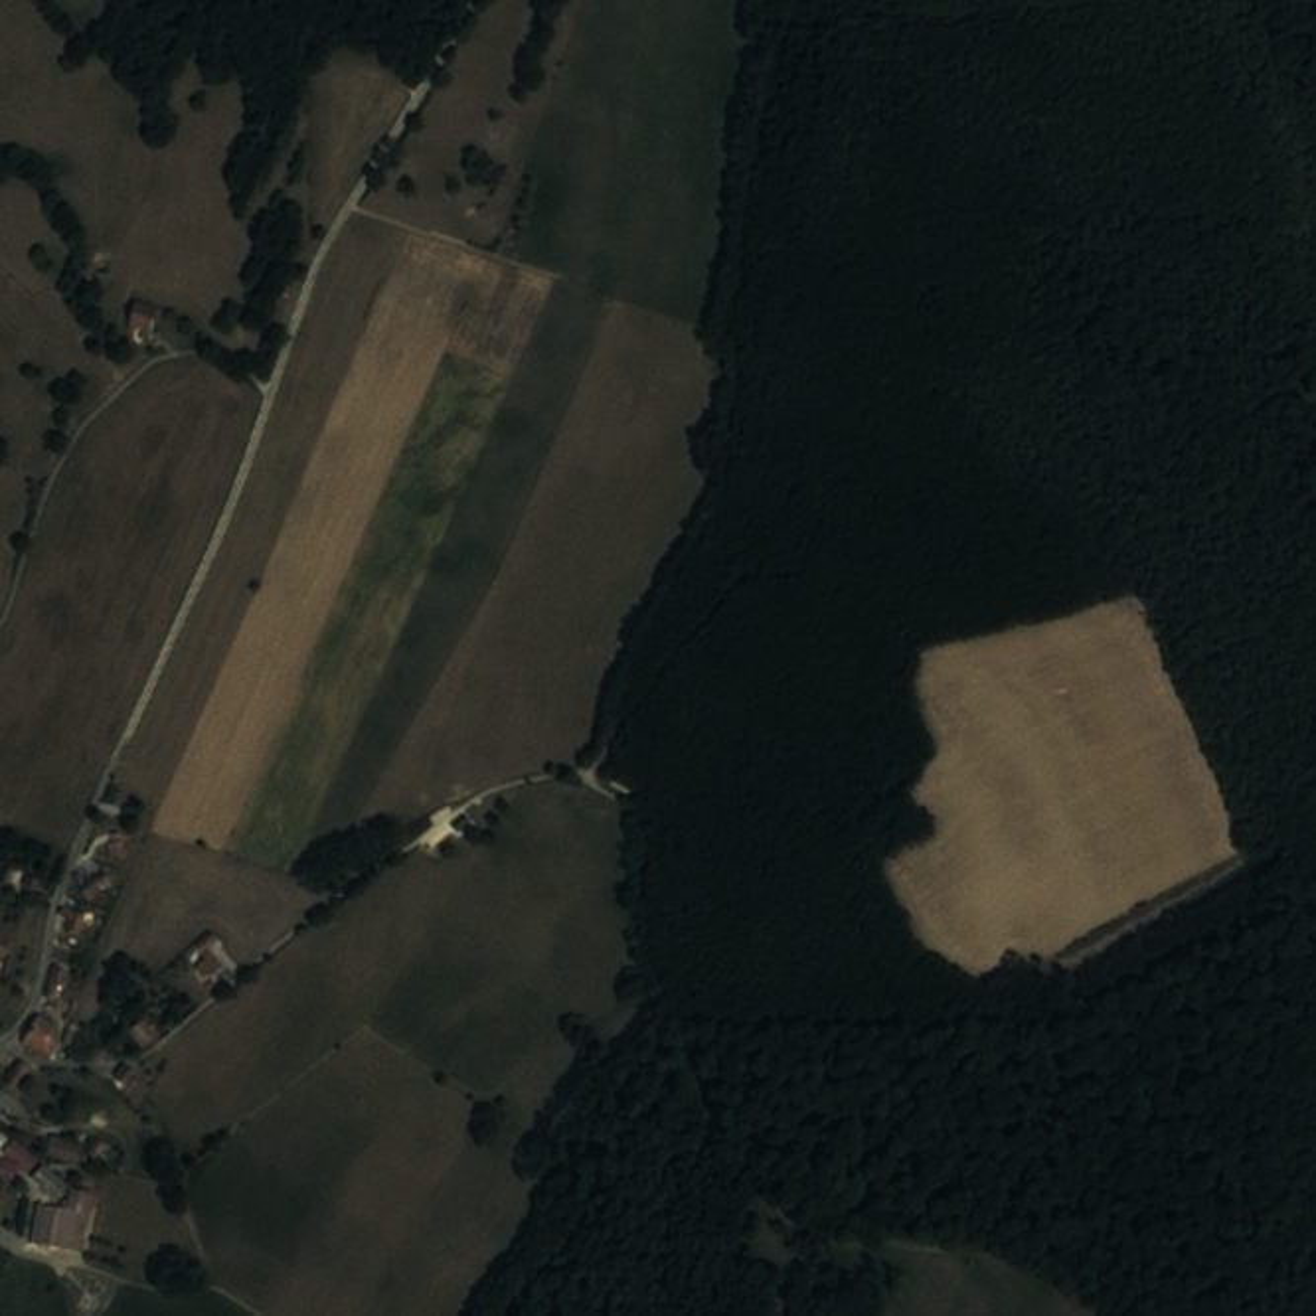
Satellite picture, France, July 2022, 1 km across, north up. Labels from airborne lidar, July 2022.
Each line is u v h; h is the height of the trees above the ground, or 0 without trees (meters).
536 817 0
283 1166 0
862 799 16
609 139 0
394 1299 0
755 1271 27
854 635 15
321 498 0
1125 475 21
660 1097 22
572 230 0
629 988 18
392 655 0
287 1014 0
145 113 12
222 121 0
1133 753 0
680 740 12
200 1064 0
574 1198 19
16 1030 0
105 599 0
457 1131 0
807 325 12
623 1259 23
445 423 0
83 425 0
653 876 13
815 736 13
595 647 0
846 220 11
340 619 0
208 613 0
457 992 0
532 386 0
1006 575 18
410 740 0
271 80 24
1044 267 10
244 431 0
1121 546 9
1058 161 9
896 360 12
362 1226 0
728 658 13
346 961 0
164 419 0
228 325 15
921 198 11
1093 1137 33
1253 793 17
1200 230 18
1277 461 16
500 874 0
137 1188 0
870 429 10
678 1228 27
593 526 0
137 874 0
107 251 0
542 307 0
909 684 21
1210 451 16
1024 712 0
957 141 11
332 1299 0
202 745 0
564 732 0
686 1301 25
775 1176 34
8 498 0
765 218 12
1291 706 17
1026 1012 15
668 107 0
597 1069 20
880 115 13
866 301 11
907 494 16
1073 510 15
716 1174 21
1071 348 15
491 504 0
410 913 0
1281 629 17
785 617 15
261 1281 0
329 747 0
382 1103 0
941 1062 26
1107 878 0
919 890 0
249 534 0
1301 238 8
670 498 0
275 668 0
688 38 0
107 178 0
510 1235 0
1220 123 9
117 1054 5
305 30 18
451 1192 0
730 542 15
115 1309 0
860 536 16
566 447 0
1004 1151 31
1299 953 25
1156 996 31
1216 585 17
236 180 16
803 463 11
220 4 22
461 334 0
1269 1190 26
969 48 7
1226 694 14
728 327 12
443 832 0
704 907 13
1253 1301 15
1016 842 0
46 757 0
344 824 0
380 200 0
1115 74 11
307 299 0
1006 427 12
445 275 0
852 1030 28
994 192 12
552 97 0
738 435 19
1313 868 20
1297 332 18
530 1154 19
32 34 0
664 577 15
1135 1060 28
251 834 0
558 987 0
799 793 16
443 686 0
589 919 0
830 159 10
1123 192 12
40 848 11
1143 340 18
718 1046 32
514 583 0
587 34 0
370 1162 0
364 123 0
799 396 8
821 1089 30
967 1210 27
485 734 0
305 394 0
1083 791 0
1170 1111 32
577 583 0
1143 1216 15
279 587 0
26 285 0
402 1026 0
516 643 0
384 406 0
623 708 12
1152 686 0
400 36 17
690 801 16
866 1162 12
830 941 11
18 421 0
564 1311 25
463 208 0
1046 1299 0
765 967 9
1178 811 0
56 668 0
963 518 18
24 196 0
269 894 0
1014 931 0
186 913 0
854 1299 27
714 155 0
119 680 0
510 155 0
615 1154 17
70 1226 0
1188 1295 27
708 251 0
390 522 0
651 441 0
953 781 0
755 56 18
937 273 13
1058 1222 30
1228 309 16
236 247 0
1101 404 15
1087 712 0
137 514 0
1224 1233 25
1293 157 8
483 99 0
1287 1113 23
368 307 0
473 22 14
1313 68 26
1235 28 17
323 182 0
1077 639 0
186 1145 0
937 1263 0
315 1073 0
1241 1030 32
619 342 0
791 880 12
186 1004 11
